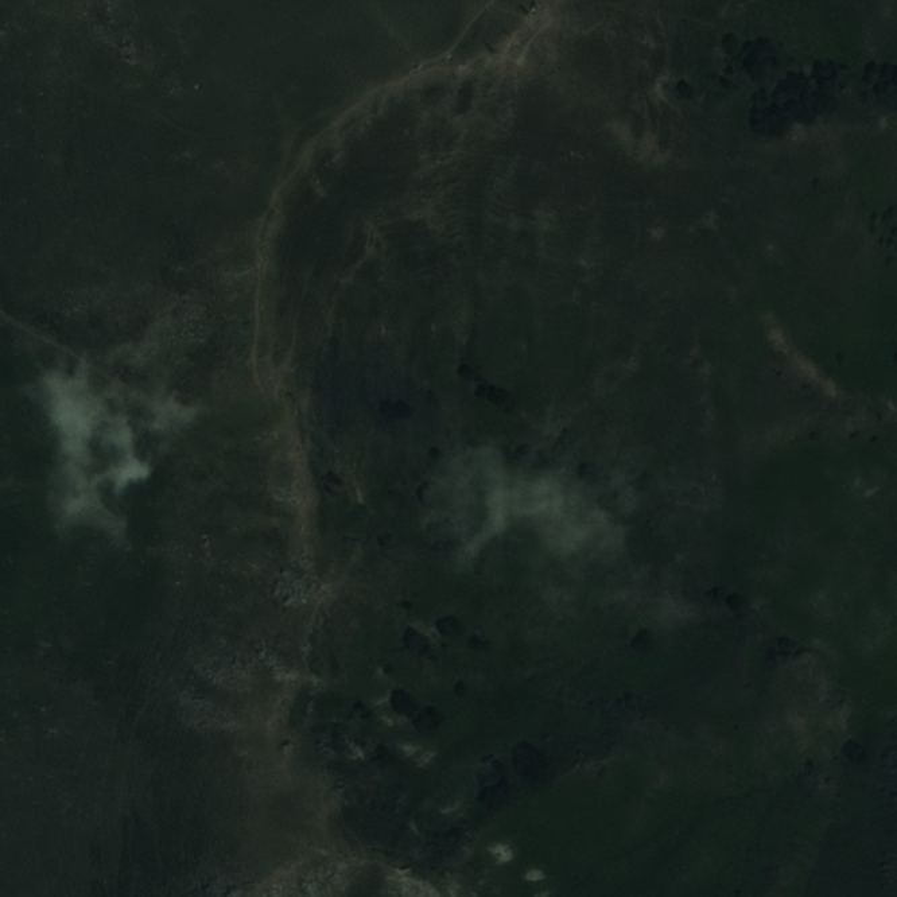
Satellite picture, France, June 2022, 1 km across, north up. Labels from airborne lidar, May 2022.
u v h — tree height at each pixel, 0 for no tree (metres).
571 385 0
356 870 0
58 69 0
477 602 0
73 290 0
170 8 0
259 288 0
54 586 0
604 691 0
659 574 0
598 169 0
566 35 0
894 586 0
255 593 0
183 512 0
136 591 0
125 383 0
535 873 0
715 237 0
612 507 0
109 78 0
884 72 15
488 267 0
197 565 0
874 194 0
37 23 0
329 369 0
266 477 0
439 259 0
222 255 0
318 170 0
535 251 0
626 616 0
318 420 0
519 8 0
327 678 0
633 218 0
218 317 0
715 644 0
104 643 0
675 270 0
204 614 0
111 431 0
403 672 0
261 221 0
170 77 0
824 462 0
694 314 0
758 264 0
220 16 0
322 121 0
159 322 0
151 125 0
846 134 0
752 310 0
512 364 0
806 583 0
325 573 0
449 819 0
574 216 0
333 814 0
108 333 0
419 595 6
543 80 0
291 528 0
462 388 0
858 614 0
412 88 0
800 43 0
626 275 0
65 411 0
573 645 0
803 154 0
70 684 0
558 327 0
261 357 0
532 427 0
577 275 0
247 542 0
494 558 0
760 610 0
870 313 0
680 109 0
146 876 0
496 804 7
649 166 0
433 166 0
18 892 0
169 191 0
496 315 0
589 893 0
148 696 0
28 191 0
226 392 0
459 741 0
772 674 0
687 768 0
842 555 0
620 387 0
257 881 0
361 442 0
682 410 0
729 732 0
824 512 0
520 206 0
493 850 0
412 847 0
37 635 0
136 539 0
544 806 0
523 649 0
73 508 0
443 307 0
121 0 0
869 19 0
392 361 0
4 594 0
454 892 0
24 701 0
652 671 0
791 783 0
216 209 0
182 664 0
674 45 0
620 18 0
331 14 0
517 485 0
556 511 0
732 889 0
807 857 0
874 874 0
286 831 0
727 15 0
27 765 0
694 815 0
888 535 0
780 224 0
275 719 0
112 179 0
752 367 0
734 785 0
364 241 0
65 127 0
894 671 0
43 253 0
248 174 0
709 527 0
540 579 0
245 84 0
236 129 0
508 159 0
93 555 0
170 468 0
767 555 0
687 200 0
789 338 0
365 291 0
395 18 0
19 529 0
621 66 0
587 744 0
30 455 0
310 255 0
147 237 0
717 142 0
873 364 0
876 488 0
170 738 0
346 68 0
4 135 0
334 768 0
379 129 0
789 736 0
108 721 0
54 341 0
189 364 0
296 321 0
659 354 0
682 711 0
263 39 0
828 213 0
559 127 0
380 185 0
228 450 0
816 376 0
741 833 0
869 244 0
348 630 0
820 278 0
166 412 0
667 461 0
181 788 0
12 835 0
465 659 0
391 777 0
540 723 0
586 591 0
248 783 0
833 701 0
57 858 0
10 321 0
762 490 0
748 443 0
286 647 0
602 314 0
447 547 16
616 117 0
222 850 0
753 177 0
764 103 24
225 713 0
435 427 0
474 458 22
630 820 0
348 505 0
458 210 0
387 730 0
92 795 0
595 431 0
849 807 0
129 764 0
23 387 0
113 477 0
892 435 0
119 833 0
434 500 24
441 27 0
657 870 0
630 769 0
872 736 0
